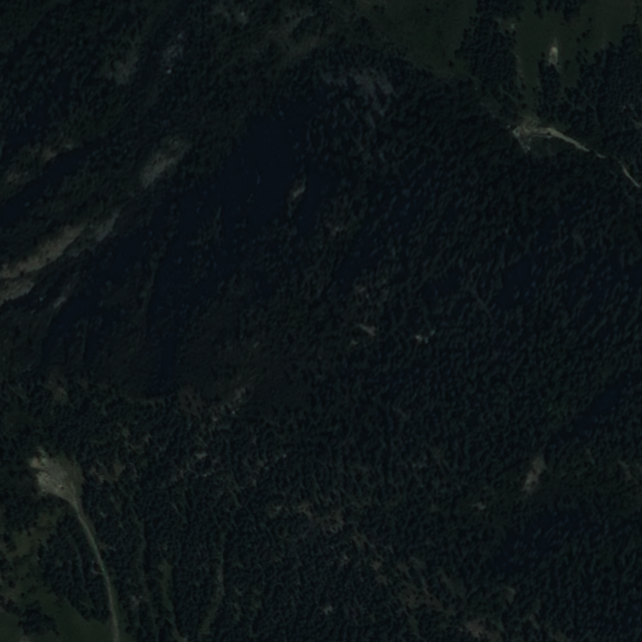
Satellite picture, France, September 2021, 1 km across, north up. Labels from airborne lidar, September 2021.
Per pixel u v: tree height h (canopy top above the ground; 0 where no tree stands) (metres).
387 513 9
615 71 26
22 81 8
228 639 28
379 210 9
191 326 7
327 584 13
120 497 14
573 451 17
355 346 8
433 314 35
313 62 9
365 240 14
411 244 21
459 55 13
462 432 11
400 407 23
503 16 16
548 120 5
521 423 20
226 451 24
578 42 12
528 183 14
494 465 11
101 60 7
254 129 10
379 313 21
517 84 11
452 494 11
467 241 15
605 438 14
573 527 8
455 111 12
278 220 9
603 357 27
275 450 7
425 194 20
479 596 12
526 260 9
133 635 13
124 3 9
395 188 14
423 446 7
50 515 7
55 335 7
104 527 17
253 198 16
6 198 6
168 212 8
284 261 7
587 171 14
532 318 18
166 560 27
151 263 6
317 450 13
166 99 6
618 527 6
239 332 8
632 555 13
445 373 31
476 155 15
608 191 9
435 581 8
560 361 17
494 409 16
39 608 8
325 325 10
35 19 6
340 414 6
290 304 6
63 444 32
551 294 15
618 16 0
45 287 7
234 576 22
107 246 6
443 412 11
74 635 0
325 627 27
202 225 10
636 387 35
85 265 6
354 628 11
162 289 11
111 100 13
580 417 14
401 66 13
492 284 23
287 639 10
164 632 17
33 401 23
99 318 10
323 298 7
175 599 10
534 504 7
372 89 0
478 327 32
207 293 6
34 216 6
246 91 14
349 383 9
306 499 17
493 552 10
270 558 23
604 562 18
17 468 22
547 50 0
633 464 28
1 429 22
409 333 7
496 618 7
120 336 6
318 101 6
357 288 7
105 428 29
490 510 7
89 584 29
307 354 7
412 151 16
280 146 11
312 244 9
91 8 9
